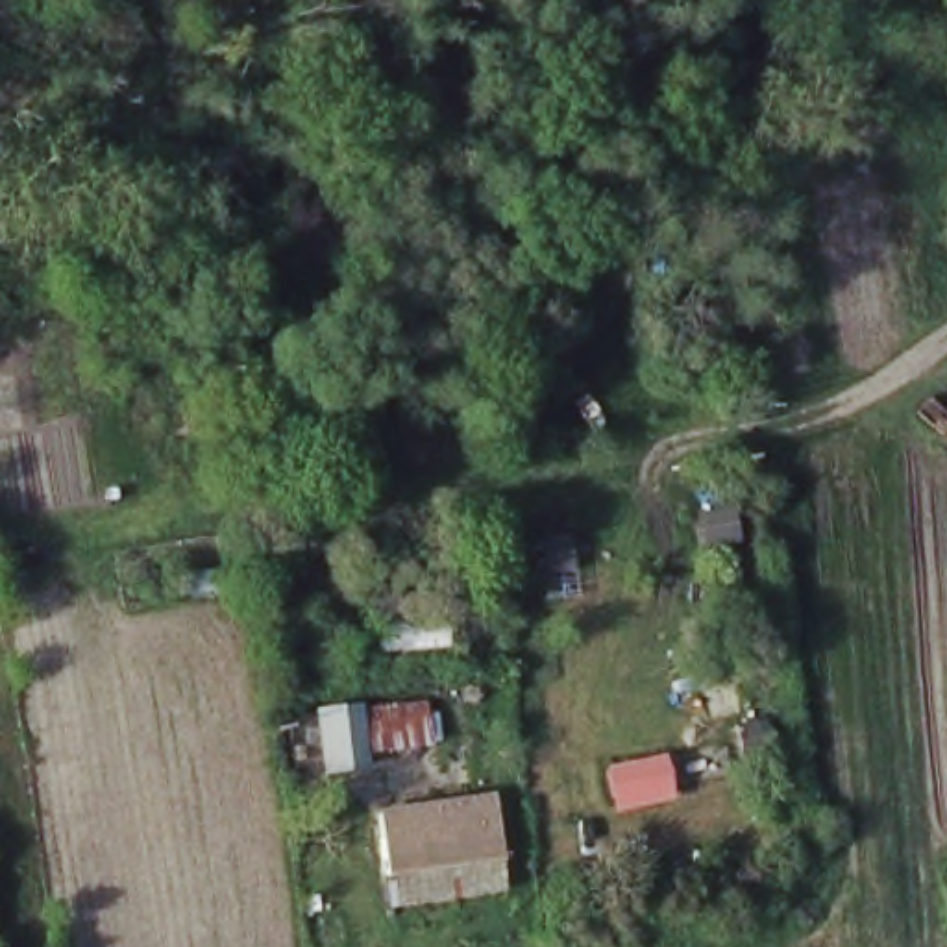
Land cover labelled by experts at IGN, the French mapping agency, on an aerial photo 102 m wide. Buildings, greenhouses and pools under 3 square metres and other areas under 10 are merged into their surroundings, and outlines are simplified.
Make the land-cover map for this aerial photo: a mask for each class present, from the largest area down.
<instances>
[{"label":"deciduous trees","instance_id":"1","mask_svg":"<svg viewBox=\"0 0 947 947\"><path fill-rule=\"evenodd\" d=\"M940 115L947 118V0H0V344L15 351L18 340L30 337L22 322L41 311H55L78 329L81 377L96 396L122 403L129 396L133 374L144 363H155L181 388V437H192L200 444L196 485L222 522L207 536L218 551L215 596L222 618H229L240 633V666L248 703L263 736V769L274 792L277 840L285 832H296L303 840L314 836L322 847L348 843L329 825V818L348 803L344 773L326 769L322 781L300 784L285 751L289 721L303 710L318 714L322 707L348 703L351 695H425L459 688L477 684L481 692V703H462L455 707V714L470 736L466 784L514 788L518 781H525L522 736L514 714L522 677L518 662H474L470 640L488 629L496 647H514V633L525 614H518L503 599V592L518 584L522 562L518 544L510 529V492L514 485H522V462L529 459L522 429L533 418L540 396V370L566 344L577 340V311L570 300L592 285L599 270L610 266L633 285L629 377L644 388V396L692 411L699 422H732L729 407L740 400V392L751 388V381L769 377L762 355L736 348V337L747 322L784 329L788 307H799L806 300H832V292L843 285L832 277V266L821 252V222L806 211L803 200L806 185L821 178V170L832 163L829 155L836 152H855L862 163L873 166H906L899 133L921 129ZM388 396L411 407L425 425H455L466 466L451 485L422 499V507L403 525H388V536L374 547L366 540V514L377 503V474L374 462L355 451L351 437L366 422L363 414L381 407ZM403 629H451V644L429 651H392L385 644ZM670 470L692 485L699 507L732 503L744 510L751 514L755 562L732 573L725 551L707 544L684 566L703 584V599L692 603L677 596L673 621H681V640L666 651L673 658V677L688 681V692L729 684L744 703L769 714L773 721L766 740L747 747L721 773V781L732 788L736 814L747 829L732 832L729 840L699 836L695 862L688 869H677V884L662 906L647 903L655 873V855L644 843V825L651 821L647 810H614L607 818V836L596 843L592 858H559L551 851V873L540 880L544 892L533 906V936L525 940L529 947H803L810 940V929H818L829 917V906L840 895L847 873V855L862 840L840 825V818L818 799L810 781L814 732L806 721V695L799 670L792 666V655L781 644V636L799 618L792 610L795 596L781 584L788 573V551L769 533V510L784 488L777 477L762 474L744 448H718L714 440L703 451L677 459ZM33 618L30 603L18 592L11 551L0 536V629L15 633ZM115 603L129 618L181 607V596L189 588V566L174 559L155 566L148 547L118 555ZM610 599L640 603L655 592V577L647 570L603 562L596 555L592 562ZM581 636L570 614L555 610L536 629L540 655H559ZM4 677L22 695L30 692L37 670L26 651H18L4 658ZM48 947H63L70 929V906L52 895L37 914Z\"/></svg>","mask_w":947,"mask_h":947},{"label":"herbaceous vegetation","instance_id":"2","mask_svg":"<svg viewBox=\"0 0 947 947\"><path fill-rule=\"evenodd\" d=\"M577 311V340L566 344L540 370V396L533 418L522 429L529 459L522 462V485H514L510 492V529L518 544L540 522H570L596 540V555L603 562L647 570L655 577V592L640 603L610 599L592 562L581 566L577 592L559 596L522 562L518 584L503 592V599L518 614H525L514 633V647H496L488 629L470 640L474 662H518L522 677L514 714L522 736L544 744L536 788L551 806V851L559 858H592L596 843L607 836V818L614 810L610 766L655 755H666L673 762L677 795L647 810L651 821L644 825V843L655 855V873L647 903L662 906L677 884V869H688L695 862L699 836L729 840L732 832L747 829L736 814L732 788L721 781V773L747 747L766 740L773 721L769 714L744 703L729 684L688 692V681L673 677V658L666 651L681 640V621H673L677 596L692 603L703 599V584L684 566L707 544L695 525L699 507L692 485L670 470L666 496L655 492L640 499L636 477L644 451L666 433L699 422L692 411L644 396V388L629 377L633 285L610 266L599 270L592 285L570 300ZM555 610L570 614L581 636L559 655H540L536 629ZM784 329L747 322L736 337V348L762 355L769 377L751 381V388L740 392V400L729 407L732 422H707L714 440L718 448H744L762 474L777 477L784 462L795 455L792 437L799 433V403L829 400L862 381L840 351L832 300H806L799 307H788ZM48 318L44 340L33 355V370L41 377V411L55 422L81 418L92 425V433H85L89 481L100 485L111 503L100 510L48 514L37 492L0 488V536L11 551L18 592L30 603L33 618H48L70 607L81 584L92 588L104 603H115L118 555L148 547L155 566L174 559L189 566V588L181 596V607H207L215 596L218 551L207 536L222 522L196 485L200 444L192 437H181V388L155 363H144L133 374L129 396L122 403L96 396L81 377L78 329L55 311H41ZM858 422L873 425L877 440H892L906 451V444L914 440L921 448H940L947 440V359L917 381L895 388L892 396L855 414ZM366 422L351 437L355 451L374 462L377 474V503L366 514V540L374 547L388 536V525H403L422 507V499L451 485L466 466L455 425H425L411 407L388 396L381 407L363 414ZM732 573L755 562L751 514L744 510L740 540H732V547L725 551ZM18 651L15 633L0 629V947H48L37 914L52 895L41 806V744L30 725V692L22 695L4 677V658ZM429 710L440 718L437 744H418L411 751L374 747L370 755L355 758V766L344 773L348 803L329 818V825L348 843L322 847L314 836L303 840V851L314 855L311 914L318 917V936L326 947H529L525 940L533 936V906L544 892L540 880H525L529 832L514 788L466 784L470 736L455 714V707L462 703L459 688L425 695ZM477 792H496L503 806L510 873L507 892L455 903L388 906L377 862L374 810L396 803L418 806L440 799H470ZM285 751L300 784L322 781L326 769L318 714L303 710L289 721Z\"/></svg>","mask_w":947,"mask_h":947},{"label":"plowed land","instance_id":"3","mask_svg":"<svg viewBox=\"0 0 947 947\"><path fill-rule=\"evenodd\" d=\"M832 163L821 170V178L806 185L803 200L806 211L821 222V252L832 266V277L843 285L832 292V300L840 351L862 381L877 377L914 348L903 333L899 281L892 263L895 248L910 244L914 233V174L906 166H873L862 163L855 152H836L829 155ZM30 337L18 340L15 351L0 344V488L37 492L48 514L100 510L111 503L100 485L89 481L85 433H92V425L81 418L55 422L41 411V377L33 370V355L44 340L48 318L41 311L22 322ZM906 544L914 592V670L925 751V795L929 821L947 825V440L940 448H921L914 440L906 444ZM18 651H26L37 670L30 692V725L41 744V806L52 895L70 906V929L63 947H289V884L277 840L274 792L263 769V736L248 703L240 666V633L229 618H222L215 596L207 607H181L129 618L115 603H104L92 588L81 584L70 607L48 618H33L15 633Z\"/></svg>","mask_w":947,"mask_h":947},{"label":"agricultural land","instance_id":"4","mask_svg":"<svg viewBox=\"0 0 947 947\"><path fill-rule=\"evenodd\" d=\"M906 166L914 174V233L910 244L895 248L892 263L899 281L903 333L914 348L947 322V118L940 115L921 129L899 133ZM795 455L784 462L777 477L784 488L769 510V533L788 551V573L781 584L795 596L792 610L799 618L781 636V644L792 655V666L799 670L806 695V721L814 732L810 781L818 799L840 818V825L862 840L847 855V873L840 895L829 906V917L818 929H810V940L803 947H947V825L929 821L925 795V751L914 670V592L906 544V451L892 440H877L873 425L858 422L855 414L799 433L792 437Z\"/></svg>","mask_w":947,"mask_h":947},{"label":"building","instance_id":"5","mask_svg":"<svg viewBox=\"0 0 947 947\"><path fill-rule=\"evenodd\" d=\"M744 510L732 503L699 507L695 525L707 544L725 551L732 547V540H740ZM522 562L559 596L577 592L581 566L592 562L596 555V540L570 522H540L518 544ZM459 688L462 703H481V692L477 684ZM326 769L344 773L355 766V758L370 755L374 747L411 751L418 744H437L440 718L429 710L425 695H351L348 703L322 707L318 714ZM614 810H647L677 795L673 762L666 755H655L610 766ZM377 862L388 906L455 903L507 892L510 873L503 806L496 792H477L470 799H440L418 806L396 803L374 810Z\"/></svg>","mask_w":947,"mask_h":947},{"label":"pervious surface","instance_id":"6","mask_svg":"<svg viewBox=\"0 0 947 947\"><path fill-rule=\"evenodd\" d=\"M947 359V322L914 348L877 377L862 381L829 400L799 403V433L855 414L892 396L895 388L917 381ZM714 440L707 422H699L666 433L644 451L636 477L640 499L655 492L666 496L670 470L677 459L703 451Z\"/></svg>","mask_w":947,"mask_h":947},{"label":"brushwood","instance_id":"7","mask_svg":"<svg viewBox=\"0 0 947 947\"><path fill-rule=\"evenodd\" d=\"M544 744L522 736L525 781H518L514 788L529 832L525 880H540L551 873V806L536 788ZM289 884V947H326L318 936V917L311 914L314 855L303 851V840L296 832H285L277 840Z\"/></svg>","mask_w":947,"mask_h":947},{"label":"greenhouse","instance_id":"8","mask_svg":"<svg viewBox=\"0 0 947 947\"><path fill-rule=\"evenodd\" d=\"M451 644V629H403L385 644L392 651H429Z\"/></svg>","mask_w":947,"mask_h":947}]
</instances>
